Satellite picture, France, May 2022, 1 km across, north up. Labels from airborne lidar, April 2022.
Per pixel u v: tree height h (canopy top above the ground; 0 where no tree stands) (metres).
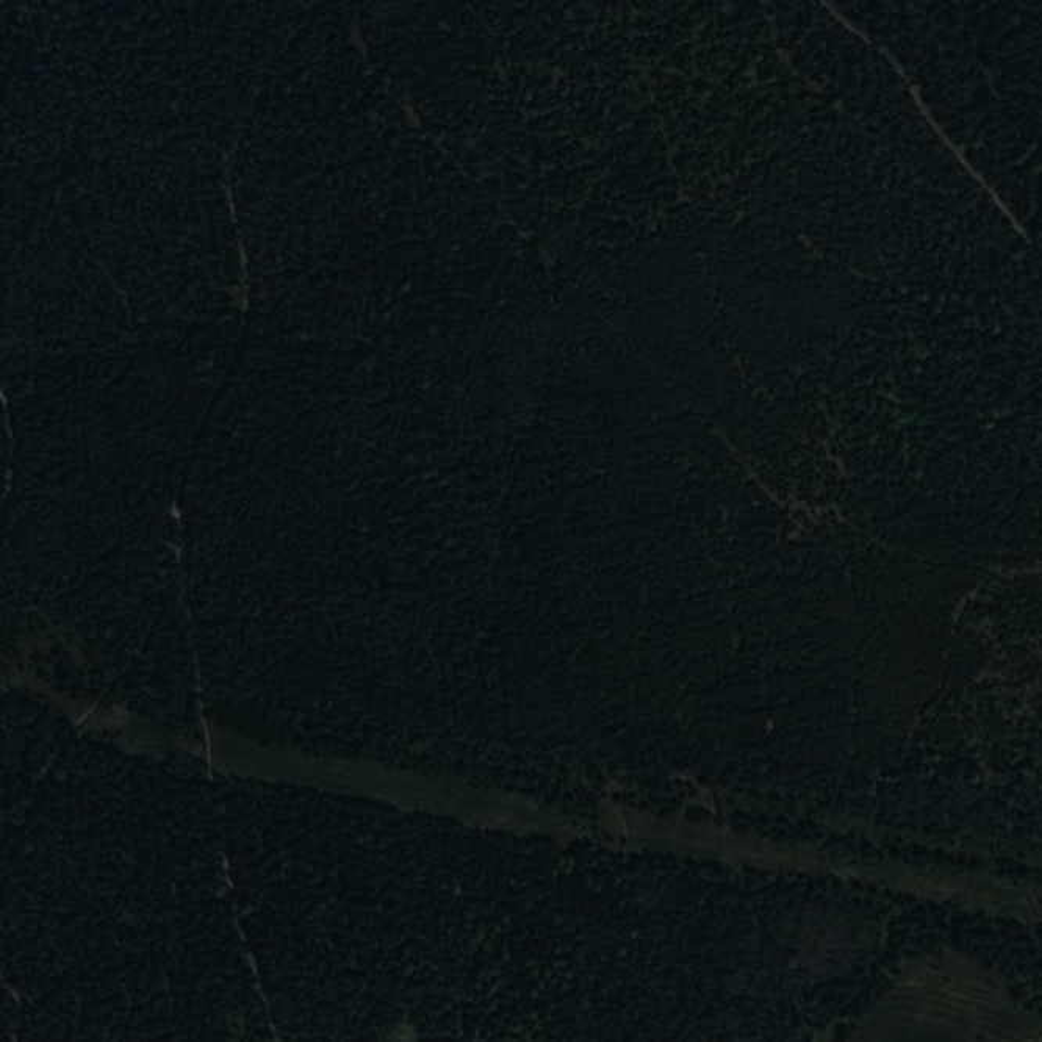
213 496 26
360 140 28
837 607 12
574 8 10
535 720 16
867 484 9
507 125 11
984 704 9
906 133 7
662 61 12
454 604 27
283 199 10
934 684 10
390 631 28
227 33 28
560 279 13
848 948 17
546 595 8
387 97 16
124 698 10
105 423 18
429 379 23
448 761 12
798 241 10
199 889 26
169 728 7
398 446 21
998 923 11
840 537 8
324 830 25
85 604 23
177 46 28
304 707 19
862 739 8
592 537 11
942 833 15
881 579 9
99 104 28
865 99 7
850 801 17
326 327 19
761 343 11
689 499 9
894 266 9
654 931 18
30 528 21
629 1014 19
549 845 19
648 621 7
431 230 9
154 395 16
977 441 16
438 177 26
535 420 12
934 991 0
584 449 7
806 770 13
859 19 27
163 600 14
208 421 18
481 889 21
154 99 28
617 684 12
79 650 0
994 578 6
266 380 24
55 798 26
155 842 28
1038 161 26
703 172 7
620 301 13
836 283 9
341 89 14
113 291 27
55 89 33
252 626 23
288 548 24
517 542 16
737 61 12
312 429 22
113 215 19
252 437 22
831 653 8
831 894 8
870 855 16
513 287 18
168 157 29
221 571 23
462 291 11
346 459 19
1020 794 20
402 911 23
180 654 23
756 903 16
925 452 16
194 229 26
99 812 27
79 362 17
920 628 9
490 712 21
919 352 22
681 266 10
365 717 20
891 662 10
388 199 9
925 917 15
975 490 11
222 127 26
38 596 20
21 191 26
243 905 22
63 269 27
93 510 17
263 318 17
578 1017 19
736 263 12
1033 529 8
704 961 18
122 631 23
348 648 15
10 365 11
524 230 19
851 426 10
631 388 11
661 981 18
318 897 25
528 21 12
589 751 14
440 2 12
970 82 30
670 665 8
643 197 9
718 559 7
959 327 15
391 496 23
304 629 15
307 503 21
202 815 30
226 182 27
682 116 12
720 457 6
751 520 7
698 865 11
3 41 19
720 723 11
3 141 31
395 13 11
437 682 16
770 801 8
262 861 24
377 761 14
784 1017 14
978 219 10
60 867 27
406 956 25
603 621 11
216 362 17
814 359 8
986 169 12
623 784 9
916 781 23
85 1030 25
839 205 10
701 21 13
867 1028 0
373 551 24
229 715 11
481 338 20
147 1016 12
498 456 14
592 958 22
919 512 11
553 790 8
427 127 11
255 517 26
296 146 12
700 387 10
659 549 7
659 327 10
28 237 25
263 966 30
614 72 8
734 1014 17
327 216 26
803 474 8
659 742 13
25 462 24
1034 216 11
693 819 9
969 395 23
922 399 21
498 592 17
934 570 7
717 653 8
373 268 14
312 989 31
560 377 16
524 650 12
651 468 9
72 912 28
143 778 17
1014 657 6
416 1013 10
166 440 19
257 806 22
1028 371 20
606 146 12
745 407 8
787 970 13
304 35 20
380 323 18
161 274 29
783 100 13
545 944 24
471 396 21
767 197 9
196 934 24
